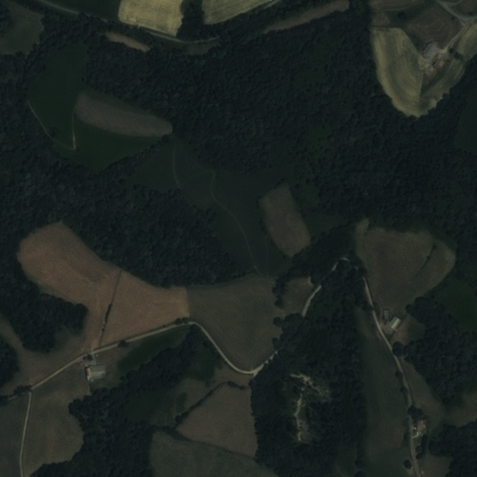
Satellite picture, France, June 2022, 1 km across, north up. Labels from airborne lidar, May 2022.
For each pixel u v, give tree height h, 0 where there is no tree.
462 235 21
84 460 19
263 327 0
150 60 31
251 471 0
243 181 0
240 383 0
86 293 0
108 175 18
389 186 22
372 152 24
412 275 0
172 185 0
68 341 0
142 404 0
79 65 0
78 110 0
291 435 36
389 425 0
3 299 19
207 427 0
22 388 16
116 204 21
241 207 0
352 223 10
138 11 0
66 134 0
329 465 30
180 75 21
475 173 14
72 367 0
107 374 0
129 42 0
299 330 17
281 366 21
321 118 13
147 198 10
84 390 0
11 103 18
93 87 5
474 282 10
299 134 12
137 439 15
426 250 0
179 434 10
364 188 23
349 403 24
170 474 0
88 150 0
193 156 0
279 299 16
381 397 0
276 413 28
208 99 18
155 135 0
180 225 17
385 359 0
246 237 0
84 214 14
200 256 19
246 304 0
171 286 11
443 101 12
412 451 0
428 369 18
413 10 0
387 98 17
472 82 21
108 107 0
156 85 16
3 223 26
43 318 19
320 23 18
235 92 21
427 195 23
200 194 0
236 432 0
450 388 23
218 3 0
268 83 14
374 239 0
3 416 0
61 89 0
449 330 23
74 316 26
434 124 24
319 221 0
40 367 0
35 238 0
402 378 8
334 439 21
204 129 24
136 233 10
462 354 21
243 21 20
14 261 18
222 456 0
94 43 18
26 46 0
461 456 22
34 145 22
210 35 15
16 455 0
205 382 0
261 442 19
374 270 0
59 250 0
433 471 0
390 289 0
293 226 0
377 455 0
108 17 0
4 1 0
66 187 14
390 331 0
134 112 0
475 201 6
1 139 18
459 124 8
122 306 0
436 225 14
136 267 11
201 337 13
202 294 0
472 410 0
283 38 19
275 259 0
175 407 0
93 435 12
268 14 25
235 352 0
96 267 0
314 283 19
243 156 18
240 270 0
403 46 0
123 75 20
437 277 0
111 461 22
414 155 22
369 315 13
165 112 12
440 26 0
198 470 0
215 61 26
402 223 8
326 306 8
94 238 7
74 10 0
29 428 0
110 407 23
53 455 0
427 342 27
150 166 0
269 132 12
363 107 34
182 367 20
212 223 15
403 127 30
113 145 0
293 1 22
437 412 0
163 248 22
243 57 24
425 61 0
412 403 0
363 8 20
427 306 23
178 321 11
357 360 22
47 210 14
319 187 13
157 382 20
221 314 0
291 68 9
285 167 0
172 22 0
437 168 13
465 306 0
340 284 26
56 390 0
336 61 11
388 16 0
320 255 12
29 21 0
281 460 24
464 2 0
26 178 18
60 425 0
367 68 25
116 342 0
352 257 24
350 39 16
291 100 7
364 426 20
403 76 0
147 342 0
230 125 27
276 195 0
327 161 11
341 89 21
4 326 0
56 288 0
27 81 14
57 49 7
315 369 29
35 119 7
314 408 36
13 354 10
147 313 0
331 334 20
